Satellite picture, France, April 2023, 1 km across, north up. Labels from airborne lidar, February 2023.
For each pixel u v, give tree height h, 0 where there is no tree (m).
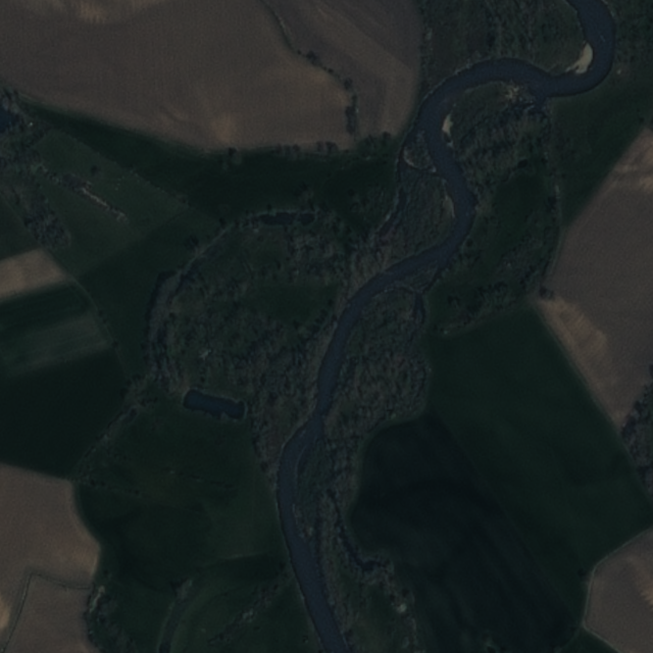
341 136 0
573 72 0
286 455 0
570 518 0
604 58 0
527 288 15
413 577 0
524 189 0
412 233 14
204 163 0
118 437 0
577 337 0
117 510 0
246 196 0
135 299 0
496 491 0
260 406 11
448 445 0
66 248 18
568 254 0
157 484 0
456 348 0
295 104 0
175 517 0
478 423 0
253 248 0
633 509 0
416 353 8
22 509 0
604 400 0
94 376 0
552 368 0
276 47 0
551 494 0
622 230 0
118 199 0
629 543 0
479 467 0
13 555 0
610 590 0
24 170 28
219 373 21
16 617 0
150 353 18
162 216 0
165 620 0
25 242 0
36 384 0
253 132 0
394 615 0
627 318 0
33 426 0
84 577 0
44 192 0
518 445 0
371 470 0
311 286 0
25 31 0
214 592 0
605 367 0
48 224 28
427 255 0
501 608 0
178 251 0
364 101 0
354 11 0
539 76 0
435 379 0
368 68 0
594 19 0
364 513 0
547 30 6
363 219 12
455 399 0
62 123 0
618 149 0
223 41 0
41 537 0
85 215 0
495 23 29
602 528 0
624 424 0
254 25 0
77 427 0
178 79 0
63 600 0
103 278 0
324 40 0
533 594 0
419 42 0
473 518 0
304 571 0
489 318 0
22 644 0
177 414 0
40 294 0
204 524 0
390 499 0
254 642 0
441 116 0
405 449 0
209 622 0
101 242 0
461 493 0
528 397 0
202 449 0
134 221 0
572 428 0
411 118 0
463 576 0
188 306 0
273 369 18
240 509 0
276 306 0
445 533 0
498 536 0
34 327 0
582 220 0
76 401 0
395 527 0
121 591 0
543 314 0
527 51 24
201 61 0
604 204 0
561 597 0
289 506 0
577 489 0
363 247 17
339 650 0
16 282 0
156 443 0
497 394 0
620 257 0
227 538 0
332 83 0
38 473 0
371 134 0
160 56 0
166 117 0
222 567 0
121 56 0
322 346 27
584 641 0
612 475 0
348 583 0
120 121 0
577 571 0
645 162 0
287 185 0
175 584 0
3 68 0
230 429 0
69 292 0
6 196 0
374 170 0
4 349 0
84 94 0
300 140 0
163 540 0
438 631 0
